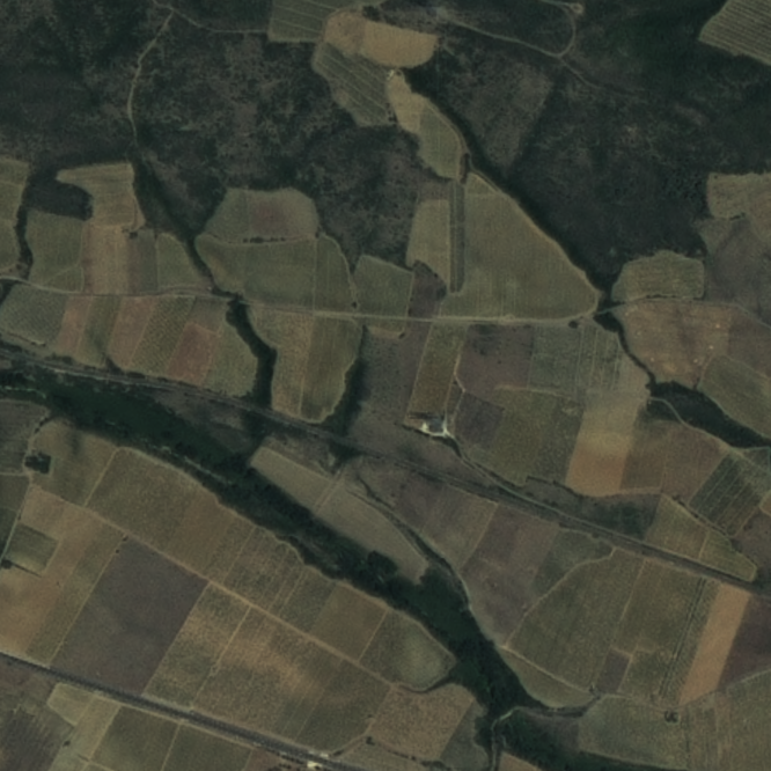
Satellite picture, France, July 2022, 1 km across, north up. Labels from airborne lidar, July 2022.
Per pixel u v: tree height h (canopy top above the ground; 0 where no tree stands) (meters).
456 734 0
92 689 0
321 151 0
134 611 0
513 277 0
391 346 0
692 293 0
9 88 0
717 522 0
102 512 0
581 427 0
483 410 0
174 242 0
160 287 0
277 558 0
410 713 0
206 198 0
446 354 0
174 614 0
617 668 0
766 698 0
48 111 0
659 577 0
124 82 0
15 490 0
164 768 0
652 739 0
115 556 0
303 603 0
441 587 7
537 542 0
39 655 0
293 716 0
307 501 0
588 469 0
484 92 0
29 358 0
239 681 0
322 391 0
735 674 0
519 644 0
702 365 0
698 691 0
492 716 10
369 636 0
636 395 0
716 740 0
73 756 0
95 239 0
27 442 0
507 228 0
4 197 0
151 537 0
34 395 7
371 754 0
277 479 0
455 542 0
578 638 0
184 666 0
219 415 0
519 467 0
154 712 0
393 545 0
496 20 0
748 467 0
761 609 0
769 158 0
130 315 0
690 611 0
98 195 0
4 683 0
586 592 0
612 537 0
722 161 0
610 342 0
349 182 0
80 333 0
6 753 0
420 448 0
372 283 0
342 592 0
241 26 0
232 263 0
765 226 0
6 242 0
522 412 0
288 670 0
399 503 0
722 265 0
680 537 0
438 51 0
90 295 0
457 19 0
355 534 0
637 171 0
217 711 0
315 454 0
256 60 0
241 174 0
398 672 0
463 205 0
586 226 0
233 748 0
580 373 0
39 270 0
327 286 0
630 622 0
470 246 0
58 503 0
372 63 0
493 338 0
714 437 0
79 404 6
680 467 0
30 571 0
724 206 0
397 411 0
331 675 0
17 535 0
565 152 0
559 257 0
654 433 0
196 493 0
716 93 0
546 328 0
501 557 0
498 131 0
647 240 0
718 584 0
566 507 0
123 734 0
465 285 0
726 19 0
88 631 0
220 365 0
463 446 0
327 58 0
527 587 0
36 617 0
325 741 0
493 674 17
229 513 0
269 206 0
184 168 0
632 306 0
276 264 0
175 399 0
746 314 0
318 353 0
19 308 0
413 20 0
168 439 12
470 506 0
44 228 0
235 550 0
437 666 0
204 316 0
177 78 0
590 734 0
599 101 0
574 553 0
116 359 0
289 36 0
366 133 0
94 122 0
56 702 0
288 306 0
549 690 0
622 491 0
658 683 0
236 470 16
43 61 0
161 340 0
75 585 0
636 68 0
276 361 0
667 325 0
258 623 0
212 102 0
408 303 0
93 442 0
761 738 0
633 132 0
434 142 0
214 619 0
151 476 0
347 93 0
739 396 0
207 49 0
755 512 0
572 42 0
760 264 0
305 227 0
